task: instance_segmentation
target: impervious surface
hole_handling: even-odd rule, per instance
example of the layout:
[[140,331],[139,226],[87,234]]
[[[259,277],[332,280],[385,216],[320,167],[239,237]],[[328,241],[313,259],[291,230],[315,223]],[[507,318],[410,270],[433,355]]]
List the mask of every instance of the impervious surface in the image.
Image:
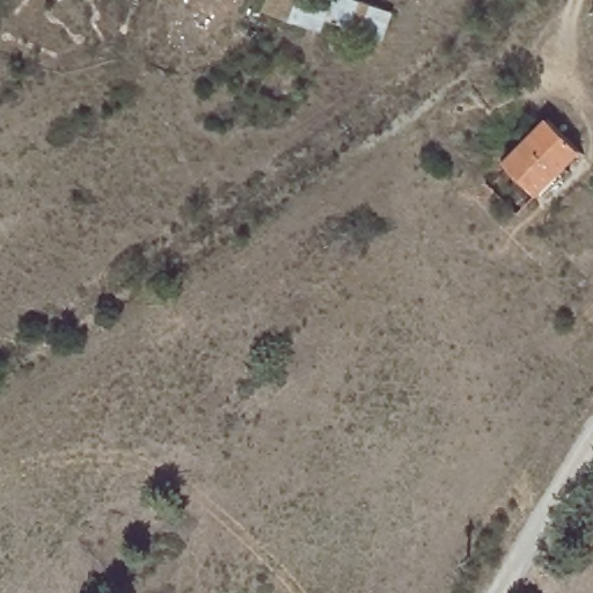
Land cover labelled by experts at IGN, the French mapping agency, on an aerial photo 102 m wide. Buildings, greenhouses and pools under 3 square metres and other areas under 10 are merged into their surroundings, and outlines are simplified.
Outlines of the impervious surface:
[[549,507],[558,503],[558,491],[565,486],[568,479],[572,479],[581,470],[581,466],[586,466],[593,459],[593,417],[584,424],[584,431],[574,440],[570,454],[556,470],[542,500],[537,503],[517,542],[507,551],[491,581],[491,588],[496,593],[510,593],[512,586],[535,563],[537,540],[549,526]]

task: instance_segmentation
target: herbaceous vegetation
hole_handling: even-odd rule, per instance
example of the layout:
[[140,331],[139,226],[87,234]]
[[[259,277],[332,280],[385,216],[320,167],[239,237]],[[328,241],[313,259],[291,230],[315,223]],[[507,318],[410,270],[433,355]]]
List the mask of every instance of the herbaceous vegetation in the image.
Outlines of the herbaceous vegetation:
[[[0,0],[0,88],[12,76],[9,56],[14,51],[21,51],[25,58],[37,60],[44,67],[44,79],[25,74],[16,102],[7,102],[0,107],[0,364],[7,364],[9,359],[9,350],[5,345],[14,345],[19,334],[19,320],[28,327],[51,327],[53,331],[69,331],[86,341],[83,350],[72,354],[56,354],[49,343],[37,343],[28,352],[32,371],[25,375],[9,373],[0,391],[0,593],[449,593],[459,579],[461,568],[466,565],[468,521],[482,521],[486,526],[498,510],[505,512],[507,528],[503,547],[507,551],[517,542],[537,503],[542,500],[556,470],[570,454],[574,440],[584,431],[584,424],[593,417],[593,0],[528,0],[526,9],[512,19],[510,35],[505,42],[498,44],[496,53],[503,60],[507,53],[512,53],[514,46],[528,49],[533,56],[542,58],[544,72],[540,76],[537,88],[500,95],[496,90],[498,72],[491,67],[486,58],[479,58],[470,49],[470,28],[463,21],[463,5],[468,0],[357,0],[389,12],[387,30],[378,32],[375,44],[375,51],[364,60],[338,65],[334,58],[317,58],[317,32],[308,30],[299,46],[303,49],[306,60],[310,63],[310,69],[317,72],[317,79],[308,83],[308,102],[303,102],[303,107],[299,107],[287,118],[283,127],[248,125],[229,127],[227,132],[206,130],[204,123],[197,120],[197,116],[218,114],[220,109],[229,107],[232,95],[227,86],[218,86],[208,100],[202,100],[195,93],[197,79],[206,76],[213,63],[222,60],[229,49],[246,39],[246,30],[239,28],[239,21],[255,21],[259,16],[266,16],[262,9],[264,0],[130,0],[125,21],[120,25],[120,35],[127,32],[132,16],[139,16],[137,42],[141,46],[153,42],[155,30],[167,30],[167,44],[158,49],[158,58],[174,65],[176,72],[139,72],[139,79],[134,83],[141,88],[141,93],[137,95],[132,107],[123,107],[111,118],[97,120],[90,139],[74,137],[67,146],[56,148],[46,141],[46,132],[56,118],[72,116],[74,109],[81,116],[104,111],[102,104],[107,100],[109,88],[102,83],[100,76],[104,67],[114,60],[86,56],[86,51],[81,49],[81,44],[90,44],[104,37],[100,28],[97,0]],[[486,185],[484,176],[491,171],[503,171],[503,160],[519,144],[507,141],[505,151],[475,153],[468,151],[463,144],[466,130],[477,132],[479,127],[484,127],[484,116],[500,114],[510,104],[524,107],[524,114],[530,116],[537,125],[549,123],[551,130],[577,153],[563,167],[561,178],[542,185],[535,197],[537,206],[533,211],[519,208],[507,222],[500,222],[491,213],[493,192]],[[130,290],[120,290],[118,297],[102,294],[100,285],[107,280],[109,264],[125,248],[153,236],[167,236],[167,246],[174,246],[174,232],[169,227],[171,222],[178,222],[181,206],[188,204],[188,197],[197,185],[206,185],[206,190],[211,190],[218,188],[222,181],[243,183],[252,171],[264,171],[262,178],[273,181],[278,176],[278,169],[273,164],[276,158],[301,139],[320,141],[329,151],[336,151],[341,155],[338,162],[334,167],[320,169],[315,176],[308,176],[308,192],[297,195],[290,208],[278,220],[266,218],[255,234],[248,232],[248,225],[241,225],[236,234],[241,239],[248,239],[248,243],[239,250],[234,264],[215,273],[208,273],[206,278],[199,271],[188,271],[181,297],[158,301],[155,306],[123,308],[123,299],[130,297]],[[419,153],[431,155],[445,167],[452,167],[452,176],[435,178],[433,174],[424,171]],[[563,202],[561,222],[577,220],[577,227],[565,227],[561,234],[556,232],[547,239],[528,236],[526,227],[540,225],[544,220],[544,211],[549,208],[554,197]],[[327,215],[345,215],[357,206],[368,206],[378,215],[389,220],[389,232],[373,239],[364,257],[343,255],[341,241],[327,243],[310,236],[313,225],[324,222]],[[97,324],[97,308],[118,310],[118,322],[109,329]],[[285,385],[264,385],[255,389],[255,394],[248,398],[239,396],[239,380],[248,378],[246,361],[250,357],[250,345],[255,336],[264,331],[283,331],[292,324],[297,327],[306,317],[308,327],[292,336],[294,354],[287,364]],[[185,549],[178,558],[164,558],[155,574],[151,574],[148,579],[134,581],[134,574],[118,558],[123,544],[127,549],[146,554],[151,547],[151,533],[176,533],[185,542]]]
[[584,535],[584,530],[579,526],[565,528],[563,537],[558,537],[565,547],[577,547],[577,540]]
[[593,593],[593,570],[586,568],[584,572],[570,577],[549,574],[544,570],[544,558],[551,554],[554,540],[558,537],[549,526],[537,540],[535,563],[512,586],[510,593]]

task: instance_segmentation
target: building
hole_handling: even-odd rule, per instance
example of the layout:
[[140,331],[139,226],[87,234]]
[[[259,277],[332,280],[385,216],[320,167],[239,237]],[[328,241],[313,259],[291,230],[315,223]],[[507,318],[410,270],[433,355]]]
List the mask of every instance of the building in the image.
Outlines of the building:
[[264,0],[262,9],[266,16],[308,30],[317,32],[324,23],[336,23],[334,30],[343,37],[361,32],[368,44],[375,44],[378,32],[387,30],[389,12],[357,0],[336,0],[324,12],[303,12],[294,5],[294,0]]
[[250,95],[262,95],[271,102],[283,102],[283,97],[294,86],[294,76],[285,74],[280,67],[273,67],[271,72],[243,74],[243,79],[248,79]]
[[577,153],[551,130],[549,123],[537,125],[519,144],[503,160],[503,171],[524,192],[535,197],[542,185],[561,178],[563,167]]

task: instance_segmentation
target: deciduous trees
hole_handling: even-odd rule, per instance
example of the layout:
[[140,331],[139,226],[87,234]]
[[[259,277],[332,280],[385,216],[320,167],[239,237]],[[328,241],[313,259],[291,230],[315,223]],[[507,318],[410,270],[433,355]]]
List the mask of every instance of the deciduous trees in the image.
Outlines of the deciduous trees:
[[336,0],[294,0],[294,5],[303,12],[324,12]]
[[343,37],[334,30],[336,23],[324,23],[317,32],[317,58],[334,58],[338,65],[364,60],[375,51],[375,44],[368,44],[361,32]]
[[9,373],[25,375],[32,371],[28,352],[37,343],[49,343],[56,354],[72,354],[83,350],[86,341],[69,331],[53,331],[51,327],[28,327],[19,320],[19,334],[14,345],[5,345],[9,350],[9,359],[7,364],[0,364],[0,391]]
[[570,577],[584,572],[586,568],[593,570],[593,459],[586,466],[581,466],[581,470],[572,479],[568,479],[565,486],[558,491],[558,503],[549,507],[549,526],[558,537],[563,537],[565,528],[579,526],[584,530],[584,535],[577,540],[577,547],[565,547],[558,537],[554,540],[551,554],[544,558],[544,570],[549,574]]
[[56,118],[46,132],[46,141],[56,148],[67,146],[74,137],[90,139],[97,120],[111,118],[123,107],[132,107],[137,95],[141,93],[141,88],[134,83],[139,79],[139,72],[176,72],[174,65],[158,58],[158,49],[167,44],[167,30],[155,30],[153,42],[141,46],[137,42],[139,16],[132,16],[127,32],[120,35],[120,25],[125,21],[130,0],[97,0],[100,28],[104,37],[90,44],[81,44],[81,49],[86,51],[86,56],[114,60],[104,67],[100,76],[102,83],[109,88],[107,100],[102,104],[104,111],[81,116],[74,109],[72,116]]
[[283,331],[264,331],[255,336],[250,345],[250,357],[246,361],[248,378],[239,380],[239,396],[248,398],[255,394],[255,389],[264,385],[285,385],[287,364],[294,354],[292,336],[308,327],[306,317],[297,327],[292,324]]
[[123,544],[118,558],[134,574],[134,581],[148,579],[151,574],[155,574],[164,558],[178,558],[185,549],[185,542],[176,533],[151,533],[151,547],[146,554],[127,549]]
[[512,19],[526,9],[528,0],[468,0],[463,5],[463,21],[470,28],[470,49],[479,58],[486,58],[491,67],[498,72],[496,90],[500,95],[537,88],[540,76],[544,72],[542,58],[533,56],[528,49],[514,46],[512,53],[507,53],[503,60],[496,53],[498,44],[505,42],[510,35]]
[[561,222],[563,202],[554,197],[549,208],[544,211],[544,220],[540,225],[526,227],[528,236],[547,239],[556,232],[561,234],[565,227],[577,227],[577,220]]
[[433,174],[435,178],[452,176],[452,167],[445,167],[431,155],[419,153],[424,171]]
[[477,132],[466,130],[463,144],[468,151],[475,153],[505,151],[507,141],[519,144],[537,125],[530,116],[524,114],[524,107],[510,104],[500,114],[484,116],[484,127],[479,127]]
[[310,236],[327,243],[341,241],[343,255],[364,257],[373,239],[389,232],[389,220],[378,215],[368,206],[357,206],[345,215],[327,215],[324,222],[313,225]]
[[118,310],[97,308],[97,324],[109,329],[118,322]]
[[533,211],[537,206],[535,197],[524,192],[503,171],[491,171],[484,176],[486,185],[493,192],[491,213],[500,222],[507,222],[519,208]]
[[491,581],[507,551],[503,547],[507,528],[505,512],[498,510],[486,526],[482,521],[468,521],[466,565],[461,568],[459,579],[449,593],[496,593],[491,588]]
[[222,181],[218,188],[211,190],[206,190],[206,185],[197,185],[188,197],[188,204],[181,206],[178,222],[171,222],[169,227],[174,232],[174,246],[167,246],[167,236],[153,236],[125,248],[109,264],[107,280],[100,285],[102,294],[118,297],[120,290],[130,290],[130,297],[123,299],[123,308],[155,306],[158,301],[181,297],[188,271],[199,271],[206,278],[208,273],[215,273],[234,264],[239,250],[248,243],[248,239],[241,239],[236,234],[241,225],[248,225],[248,232],[255,234],[266,218],[278,220],[290,208],[297,195],[308,192],[308,176],[315,176],[320,169],[334,167],[338,162],[341,155],[336,151],[329,151],[320,141],[301,139],[276,158],[273,164],[278,169],[278,176],[273,181],[262,178],[264,171],[252,171],[243,183]]
[[[287,118],[299,107],[303,107],[303,102],[308,102],[308,83],[317,79],[317,72],[310,69],[310,63],[306,60],[303,49],[299,46],[308,30],[266,16],[259,16],[255,21],[239,21],[239,28],[246,30],[246,39],[229,49],[222,60],[213,63],[206,76],[197,79],[195,93],[202,100],[208,100],[218,86],[227,86],[232,95],[229,107],[220,109],[218,114],[197,116],[197,120],[204,123],[206,130],[227,132],[229,127],[248,125],[283,127]],[[280,67],[285,74],[294,76],[294,86],[283,97],[283,102],[271,102],[262,95],[250,95],[248,79],[243,79],[243,74],[271,72],[273,67]]]
[[0,107],[7,102],[16,102],[25,74],[44,79],[44,67],[37,60],[25,58],[21,51],[14,51],[9,56],[12,76],[0,88]]

